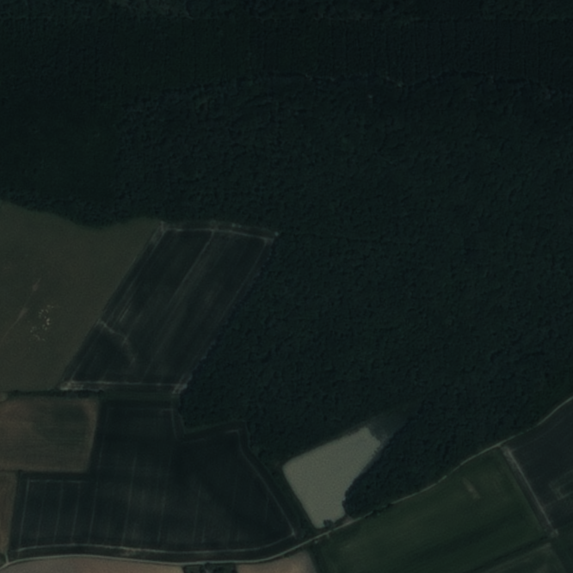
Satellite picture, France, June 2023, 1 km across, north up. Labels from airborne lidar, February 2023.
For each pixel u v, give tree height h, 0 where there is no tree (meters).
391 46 16
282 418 20
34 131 16
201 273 0
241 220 19
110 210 19
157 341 0
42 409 0
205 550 0
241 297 0
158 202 22
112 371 0
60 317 0
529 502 0
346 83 27
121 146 14
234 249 0
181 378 0
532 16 22
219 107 22
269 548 0
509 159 26
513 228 24
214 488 0
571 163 23
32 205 15
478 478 0
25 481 0
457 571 0
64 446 0
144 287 0
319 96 30
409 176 22
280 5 26
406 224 19
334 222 20
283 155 25
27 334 0
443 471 19
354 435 0
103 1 23
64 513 0
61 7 22
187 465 0
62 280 0
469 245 23
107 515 0
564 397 0
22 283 0
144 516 0
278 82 29
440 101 30
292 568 0
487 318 20
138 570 0
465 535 0
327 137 24
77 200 18
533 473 0
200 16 21
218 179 24
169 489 0
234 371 26
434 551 0
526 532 0
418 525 0
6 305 0
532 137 24
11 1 23
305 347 19
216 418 20
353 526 0
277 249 17
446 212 22
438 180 21
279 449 18
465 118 22
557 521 0
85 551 0
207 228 0
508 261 22
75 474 0
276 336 22
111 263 0
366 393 22
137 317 0
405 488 21
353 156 23
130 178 21
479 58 15
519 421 25
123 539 0
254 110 26
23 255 0
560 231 20
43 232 0
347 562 0
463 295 21
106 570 0
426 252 20
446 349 20
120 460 0
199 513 0
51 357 0
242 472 0
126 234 0
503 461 0
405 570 0
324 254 21
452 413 24
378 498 20
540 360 24
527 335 24
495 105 27
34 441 0
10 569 0
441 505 0
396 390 20
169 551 0
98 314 0
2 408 0
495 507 0
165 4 18
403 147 24
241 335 22
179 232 0
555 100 28
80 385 0
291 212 21
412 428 23
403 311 19
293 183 19
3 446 0
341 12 23
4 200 13
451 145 25
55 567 0
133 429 0
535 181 26
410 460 24
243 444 0
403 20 21
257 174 21
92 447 0
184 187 22
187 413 20
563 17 20
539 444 0
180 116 25
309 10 27
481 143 26
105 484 0
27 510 0
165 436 0
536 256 21
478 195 23
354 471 0
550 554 0
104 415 0
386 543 0
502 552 0
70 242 0
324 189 18
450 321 19
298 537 0
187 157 22
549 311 20
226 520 0
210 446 0
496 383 21
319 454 0
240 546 0
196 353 0
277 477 6
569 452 0
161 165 21
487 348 21
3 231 0
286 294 23
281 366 27
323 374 21
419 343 20
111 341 0
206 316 0
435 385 20
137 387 0
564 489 0
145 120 25
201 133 24
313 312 21
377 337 13
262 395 24
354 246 20
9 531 0
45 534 0
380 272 21
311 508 0
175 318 0
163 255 0
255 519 0
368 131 24
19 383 0
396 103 26
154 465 0
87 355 0
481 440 21
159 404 0
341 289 21
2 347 0
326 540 0
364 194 20
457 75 28
